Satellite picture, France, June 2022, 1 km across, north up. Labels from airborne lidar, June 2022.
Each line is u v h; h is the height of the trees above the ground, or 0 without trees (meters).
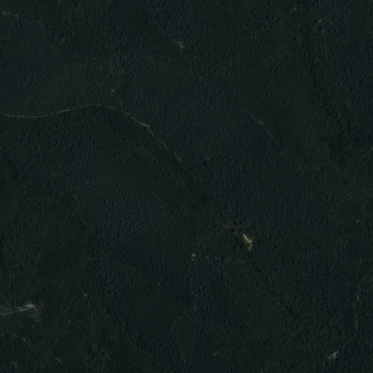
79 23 12
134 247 11
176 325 7
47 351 12
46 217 7
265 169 8
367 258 15
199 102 13
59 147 12
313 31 6
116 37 7
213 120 9
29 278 8
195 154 10
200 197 8
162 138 8
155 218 9
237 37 10
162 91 9
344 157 14
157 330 12
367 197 9
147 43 8
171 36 7
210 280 10
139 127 12
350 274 11
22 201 15
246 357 14
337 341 14
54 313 8
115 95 10
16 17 8
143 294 9
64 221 9
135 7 7
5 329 10
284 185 9
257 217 7
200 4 10
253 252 7
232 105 9
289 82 6
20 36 11
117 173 7
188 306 10
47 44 9
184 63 10
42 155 11
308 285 10
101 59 9
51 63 6
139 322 12
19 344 10
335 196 9
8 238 10
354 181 11
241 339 14
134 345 7
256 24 9
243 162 8
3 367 12
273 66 12
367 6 10
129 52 8
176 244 6
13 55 9
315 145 10
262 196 10
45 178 11
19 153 8
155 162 13
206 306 9
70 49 8
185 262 8
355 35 7
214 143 11
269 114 10
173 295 13
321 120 10
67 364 13
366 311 10
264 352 14
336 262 7
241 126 8
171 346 11
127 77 12
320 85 12
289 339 13
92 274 8
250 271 14
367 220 12
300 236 10
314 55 11
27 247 9
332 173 10
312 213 7
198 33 10
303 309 12
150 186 8
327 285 7
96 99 7
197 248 16
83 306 9
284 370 12
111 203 8
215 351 10
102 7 10
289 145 10
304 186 7
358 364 11
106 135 10
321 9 9
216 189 10
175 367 15
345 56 7
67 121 18
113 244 8
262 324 13
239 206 19
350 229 10
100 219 6
